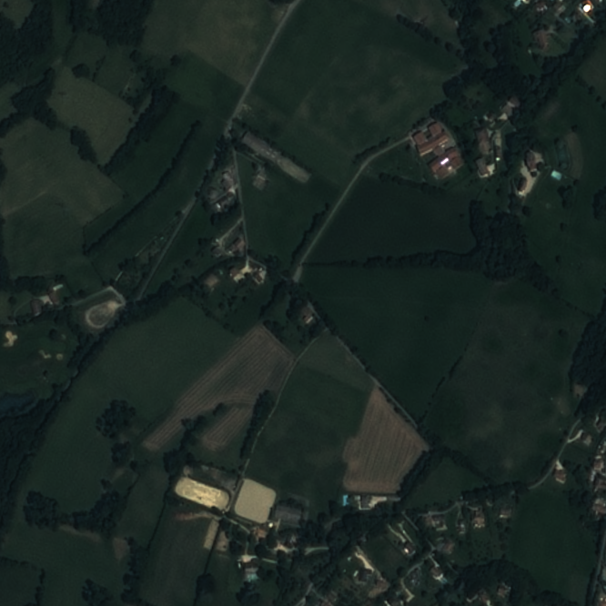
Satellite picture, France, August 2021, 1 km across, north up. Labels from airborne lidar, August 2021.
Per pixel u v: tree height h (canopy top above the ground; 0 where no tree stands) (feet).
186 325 0
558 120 0
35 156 0
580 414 28
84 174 0
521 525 0
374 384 0
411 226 0
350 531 54
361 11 0
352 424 0
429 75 0
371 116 0
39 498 72
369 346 0
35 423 60
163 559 0
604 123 0
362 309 0
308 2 0
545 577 0
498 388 0
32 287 52
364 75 0
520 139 61
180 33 0
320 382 0
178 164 68
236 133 45
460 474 0
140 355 0
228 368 0
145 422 0
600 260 0
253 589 73
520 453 0
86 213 0
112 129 0
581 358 82
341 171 0
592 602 18
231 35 0
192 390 0
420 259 51
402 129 0
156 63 0
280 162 0
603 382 79
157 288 0
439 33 0
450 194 0
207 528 0
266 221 0
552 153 0
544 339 0
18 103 66
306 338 21
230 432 0
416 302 0
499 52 58
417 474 40
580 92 0
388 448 0
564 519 0
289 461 0
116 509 90
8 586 0
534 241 0
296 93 0
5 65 47
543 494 0
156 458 0
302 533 27
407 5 0
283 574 64
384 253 0
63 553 0
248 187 0
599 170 0
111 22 35
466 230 0
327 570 29
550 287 107
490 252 77
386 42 0
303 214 0
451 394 0
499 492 65
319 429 0
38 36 84
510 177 63
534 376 0
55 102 0
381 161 0
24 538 0
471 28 58
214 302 0
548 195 0
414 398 0
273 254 0
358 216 0
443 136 0
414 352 0
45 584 41
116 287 55
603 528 58
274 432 0
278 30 0
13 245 0
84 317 0
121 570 0
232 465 0
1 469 67
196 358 0
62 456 0
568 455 0
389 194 0
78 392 0
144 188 0
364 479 0
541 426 0
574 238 0
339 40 0
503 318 0
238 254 26
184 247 0
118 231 48
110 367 0
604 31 79
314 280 0
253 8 0
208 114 0
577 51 79
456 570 53
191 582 0
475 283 0
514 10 29
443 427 0
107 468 0
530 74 0
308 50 0
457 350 0
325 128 0
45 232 0
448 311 0
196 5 0
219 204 0
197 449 0
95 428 0
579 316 0
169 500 52
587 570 0
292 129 0
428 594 47
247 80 0
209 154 0
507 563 56
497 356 0
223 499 0
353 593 32
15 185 0
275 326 48
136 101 40
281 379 0
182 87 0
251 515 0
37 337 0
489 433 0
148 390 0
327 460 0
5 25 66
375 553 0
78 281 0
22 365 0
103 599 74
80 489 0
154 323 0
